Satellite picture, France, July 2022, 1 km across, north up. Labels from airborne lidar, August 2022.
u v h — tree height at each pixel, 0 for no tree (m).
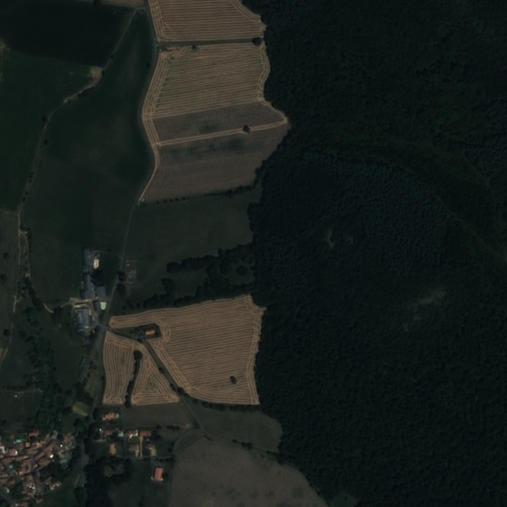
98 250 0
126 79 0
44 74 0
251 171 0
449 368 10
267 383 16
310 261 24
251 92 0
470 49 15
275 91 17
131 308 10
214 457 0
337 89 9
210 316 0
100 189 0
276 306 21
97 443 0
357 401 17
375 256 18
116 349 0
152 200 0
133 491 0
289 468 0
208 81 0
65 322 0
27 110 0
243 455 0
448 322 11
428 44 19
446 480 20
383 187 29
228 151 0
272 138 0
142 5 0
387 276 16
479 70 19
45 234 0
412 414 13
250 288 6
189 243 0
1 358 0
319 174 21
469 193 8
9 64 0
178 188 0
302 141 8
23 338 11
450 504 19
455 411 18
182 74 0
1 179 0
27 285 11
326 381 20
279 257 18
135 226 0
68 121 0
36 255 0
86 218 0
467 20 8
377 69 11
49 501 0
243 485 0
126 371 0
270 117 0
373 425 17
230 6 0
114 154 0
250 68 0
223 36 0
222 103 0
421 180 13
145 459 6
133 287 0
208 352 0
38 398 0
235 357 0
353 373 15
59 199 0
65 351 0
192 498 0
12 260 0
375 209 32
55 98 0
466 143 6
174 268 16
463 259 11
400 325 7
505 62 10
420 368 24
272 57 16
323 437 18
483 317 19
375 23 17
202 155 0
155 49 0
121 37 0
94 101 0
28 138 0
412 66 15
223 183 0
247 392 0
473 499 19
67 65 0
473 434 18
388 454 18
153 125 0
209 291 14
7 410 0
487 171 16
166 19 0
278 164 18
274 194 20
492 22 12
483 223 7
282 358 15
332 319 15
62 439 12
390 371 17
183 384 0
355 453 22
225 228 0
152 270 0
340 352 18
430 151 5
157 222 0
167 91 0
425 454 17
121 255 0
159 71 0
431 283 10
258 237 17
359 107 20
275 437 0
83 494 16
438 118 7
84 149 0
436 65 10
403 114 17
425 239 30
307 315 18
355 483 16
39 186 0
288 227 18
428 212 34
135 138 0
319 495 12
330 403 20
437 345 18
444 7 11
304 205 22
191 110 0
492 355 18
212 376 0
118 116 0
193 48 9
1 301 0
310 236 18
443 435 18
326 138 6
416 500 19
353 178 28
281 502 0
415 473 20
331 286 11
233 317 0
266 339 20
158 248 0
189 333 0
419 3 17
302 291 23
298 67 17
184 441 0
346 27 18
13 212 0
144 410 0
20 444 0
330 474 18
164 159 0
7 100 0
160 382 0
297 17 25
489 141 21
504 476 19
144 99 0
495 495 21
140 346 0
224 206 0
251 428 0
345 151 11
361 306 20
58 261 0
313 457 17
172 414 0
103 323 0
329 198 20
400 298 13
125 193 0
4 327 0
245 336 0
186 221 0
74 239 0
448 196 9
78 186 0
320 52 24
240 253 12
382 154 11
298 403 19
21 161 0
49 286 0
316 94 11
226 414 0
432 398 14
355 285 19
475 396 20
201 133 0
